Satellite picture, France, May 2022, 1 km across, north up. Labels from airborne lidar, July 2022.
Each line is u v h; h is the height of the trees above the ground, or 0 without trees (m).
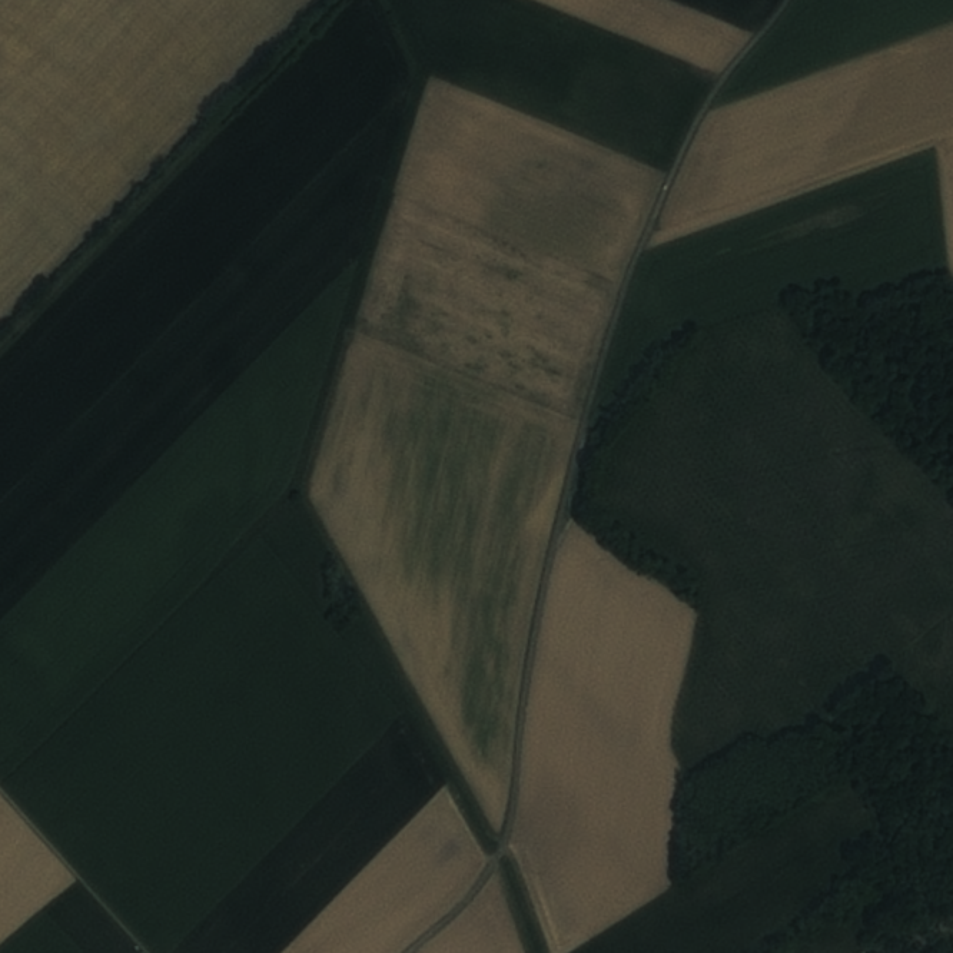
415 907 0
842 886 17
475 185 0
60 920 0
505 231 0
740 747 17
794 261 0
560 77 0
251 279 0
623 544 21
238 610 0
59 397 0
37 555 0
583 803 0
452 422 0
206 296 0
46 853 0
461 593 0
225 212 0
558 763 0
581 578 0
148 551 0
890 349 15
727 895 0
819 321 21
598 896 0
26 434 0
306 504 0
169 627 0
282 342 0
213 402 0
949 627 0
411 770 0
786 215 0
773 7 0
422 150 0
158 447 0
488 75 0
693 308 0
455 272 0
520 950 0
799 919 11
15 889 0
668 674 0
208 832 0
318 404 0
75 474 0
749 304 0
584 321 0
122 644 0
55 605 0
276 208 0
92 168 0
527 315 0
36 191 0
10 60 0
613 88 0
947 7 0
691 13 0
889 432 16
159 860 0
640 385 25
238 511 0
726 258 0
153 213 0
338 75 0
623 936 0
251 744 0
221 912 0
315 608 0
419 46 0
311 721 0
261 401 0
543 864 0
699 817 22
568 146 0
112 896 0
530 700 0
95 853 0
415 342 0
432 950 0
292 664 0
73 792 0
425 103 0
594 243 0
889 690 27
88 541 0
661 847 0
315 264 0
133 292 0
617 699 0
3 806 0
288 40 13
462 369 0
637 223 0
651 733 0
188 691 0
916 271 0
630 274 0
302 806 0
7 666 0
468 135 0
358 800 0
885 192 0
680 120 0
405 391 0
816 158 0
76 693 0
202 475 0
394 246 0
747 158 0
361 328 0
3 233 0
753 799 21
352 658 0
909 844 25
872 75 0
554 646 0
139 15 0
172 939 0
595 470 21
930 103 0
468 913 0
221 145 0
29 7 0
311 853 0
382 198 0
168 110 0
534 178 0
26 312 12
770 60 0
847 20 0
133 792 0
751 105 0
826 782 18
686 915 0
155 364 0
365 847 0
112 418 0
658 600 0
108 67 0
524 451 0
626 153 0
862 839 9
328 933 0
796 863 0
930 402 29
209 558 0
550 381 0
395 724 0
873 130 0
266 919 0
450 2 0
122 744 0
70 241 0
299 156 0
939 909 26
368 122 0
